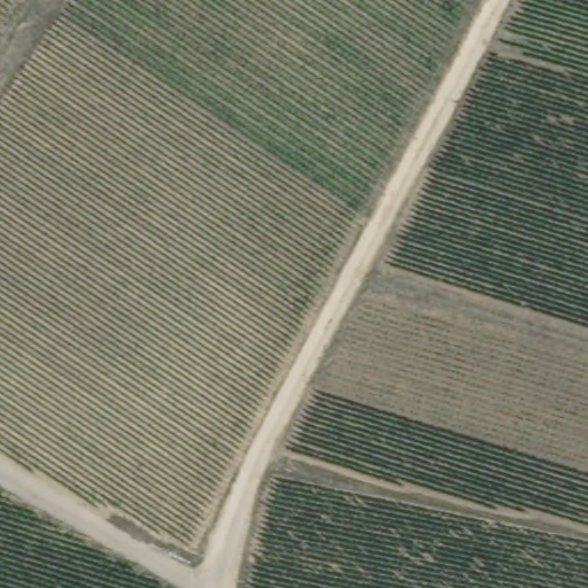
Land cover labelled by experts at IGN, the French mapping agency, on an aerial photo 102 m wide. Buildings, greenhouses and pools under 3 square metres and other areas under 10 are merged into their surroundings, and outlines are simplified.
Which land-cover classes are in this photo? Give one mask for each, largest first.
<instances>
[{"label":"vineyard","instance_id":"1","mask_svg":"<svg viewBox=\"0 0 588 588\"><path fill-rule=\"evenodd\" d=\"M482 7V0H0V455L11 459L28 473H41L44 478L53 480L90 508H119L124 517H110L108 521L113 526L161 551L177 554L181 560H186L188 567H198L207 556L209 540L223 517L225 503L234 489V482L241 473V466L257 432L262 430L312 326L317 324L319 312L324 310L331 292L335 289V283L345 264L358 246L363 230L368 227L377 209L379 198L384 195L388 179L402 161L404 149L409 147L475 14ZM427 168L416 177L413 186L402 200L395 221L384 243L379 246L361 287L356 289L349 308L345 310L331 342L324 347V354L310 381L305 384L301 402L296 404L289 423L285 425L283 434L278 436L271 450V462L255 492L250 524L241 551L237 588H588V0H510L489 39L487 53L478 62L462 99L455 106L452 119L448 122L436 149L425 163ZM0 588H175L154 577L152 572L142 570L140 565L117 554H108L101 544H90L83 533L53 519L51 515L34 512L23 503H14L0 487Z\"/></svg>","mask_w":588,"mask_h":588},{"label":"pervious surface","instance_id":"2","mask_svg":"<svg viewBox=\"0 0 588 588\"><path fill-rule=\"evenodd\" d=\"M510 0H482V7L475 14L409 147L404 149L402 161L388 179L384 195L379 198L377 209L368 227L363 230L358 246L345 264L335 283V289L331 292L324 310L319 312L317 324L312 326L262 430L257 432L241 466V473L234 482V489L225 503L223 517L209 540L207 556L198 567H188L186 560H181L177 554L161 551L113 526L108 521L110 517H124L119 508H90L53 480L44 478L41 473H28L11 459L0 455V487L14 503H23L34 512L51 515L53 519L83 533L90 544H101L108 554H117L140 565L142 570L152 572L154 577L175 588H237L241 551L250 524L255 492L271 462V450L278 436L283 434L285 425L289 423L296 404L301 402L305 384L310 381L324 354V347L331 342L345 310L349 308L356 289L361 287L379 246L384 243L395 221L402 200L413 186L416 177L427 168L425 163L436 149L448 122L452 119L455 106L462 99L478 62L487 53L489 39Z\"/></svg>","mask_w":588,"mask_h":588}]
</instances>
